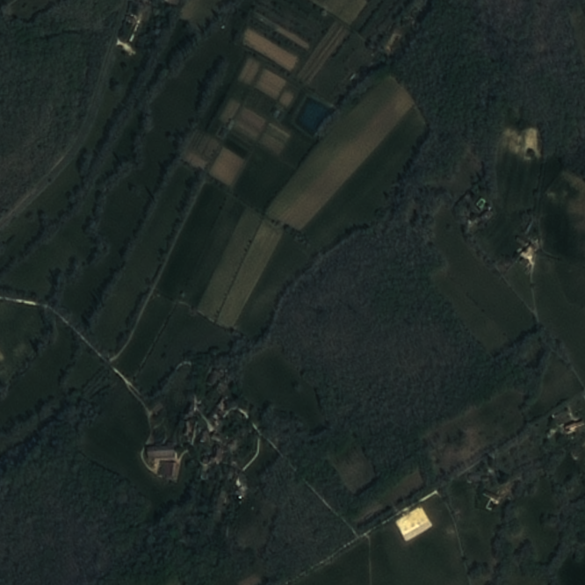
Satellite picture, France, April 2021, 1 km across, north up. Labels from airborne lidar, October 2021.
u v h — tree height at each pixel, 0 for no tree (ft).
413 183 40
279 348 44
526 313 0
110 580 73
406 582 0
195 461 25
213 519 57
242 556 51
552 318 0
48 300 38
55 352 0
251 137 0
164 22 28
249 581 0
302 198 0
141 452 0
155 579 80
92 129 0
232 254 0
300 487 49
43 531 51
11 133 64
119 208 0
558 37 55
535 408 0
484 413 0
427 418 43
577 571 0
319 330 52
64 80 74
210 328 0
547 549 0
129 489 63
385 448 46
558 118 67
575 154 79
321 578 0
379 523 46
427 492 42
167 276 0
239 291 0
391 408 42
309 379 62
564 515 51
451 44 62
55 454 55
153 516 0
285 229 31
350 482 0
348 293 52
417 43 44
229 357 27
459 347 46
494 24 48
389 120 0
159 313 0
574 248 0
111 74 0
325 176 0
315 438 65
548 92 66
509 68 71
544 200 0
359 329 50
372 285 49
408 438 45
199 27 0
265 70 0
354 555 0
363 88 67
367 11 0
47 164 55
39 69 62
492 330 0
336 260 36
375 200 0
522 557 72
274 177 0
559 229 0
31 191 62
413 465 66
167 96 0
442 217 0
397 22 41
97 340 67
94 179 68
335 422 53
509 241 0
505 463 44
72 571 40
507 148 0
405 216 51
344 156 0
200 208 0
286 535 43
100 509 61
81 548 60
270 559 63
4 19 60
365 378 49
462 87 73
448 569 0
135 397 20
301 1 27
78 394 42
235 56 0
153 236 0
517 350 52
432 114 75
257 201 0
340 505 47
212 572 69
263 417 51
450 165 73
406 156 0
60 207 0
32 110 60
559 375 0
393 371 44
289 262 0
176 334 0
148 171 0
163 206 0
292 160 0
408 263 53
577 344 0
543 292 0
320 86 0
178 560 103
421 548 0
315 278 53
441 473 0
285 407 0
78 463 76
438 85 58
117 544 70
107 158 60
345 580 0
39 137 59
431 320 54
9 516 43
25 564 48
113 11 60
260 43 0
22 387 0
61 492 50
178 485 0
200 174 53
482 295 0
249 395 0
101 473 58
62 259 0
